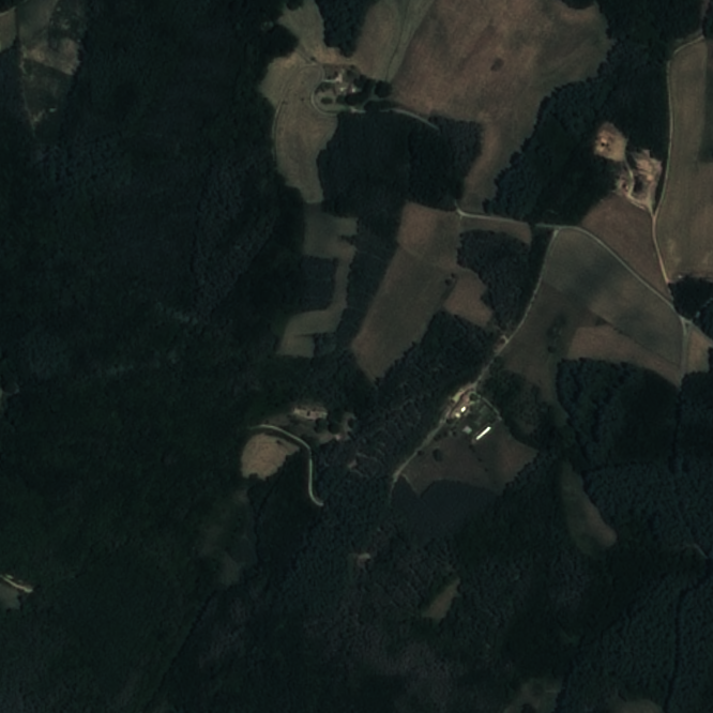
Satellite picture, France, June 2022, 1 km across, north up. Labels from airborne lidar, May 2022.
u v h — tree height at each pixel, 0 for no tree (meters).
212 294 20
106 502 19
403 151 9
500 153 0
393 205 16
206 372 17
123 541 19
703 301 15
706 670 31
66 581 13
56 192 21
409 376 16
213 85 12
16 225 20
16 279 20
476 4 0
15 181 22
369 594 20
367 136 9
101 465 18
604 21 0
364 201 11
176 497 18
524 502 12
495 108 0
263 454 0
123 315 20
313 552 21
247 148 18
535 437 8
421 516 8
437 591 11
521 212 30
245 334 17
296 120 0
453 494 9
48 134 0
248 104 19
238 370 17
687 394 20
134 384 19
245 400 19
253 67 17
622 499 29
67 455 21
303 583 26
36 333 36
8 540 16
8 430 21
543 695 0
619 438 9
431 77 0
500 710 23
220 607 14
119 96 17
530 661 11
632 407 6
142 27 24
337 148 10
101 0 17
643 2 18
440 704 21
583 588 23
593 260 0
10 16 0
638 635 30
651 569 17
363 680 17
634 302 0
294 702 16
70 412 28
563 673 10
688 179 0
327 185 9
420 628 16
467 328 17
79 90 19
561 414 0
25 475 19
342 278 0
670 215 0
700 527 33
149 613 17
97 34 18
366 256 9
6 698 16
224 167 21
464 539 11
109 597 18
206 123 21
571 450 10
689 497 31
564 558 20
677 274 0
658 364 0
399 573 16
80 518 15
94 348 21
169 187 7
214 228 21
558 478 14
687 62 0
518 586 18
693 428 24
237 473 13
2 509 18
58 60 0
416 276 0
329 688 15
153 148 12
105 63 17
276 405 8
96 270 11
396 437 16
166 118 12
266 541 13
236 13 22
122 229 10
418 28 0
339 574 25
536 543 8
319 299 7
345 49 27
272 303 17
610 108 19
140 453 17
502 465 0
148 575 16
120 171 31
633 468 22
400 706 21
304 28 0
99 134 15
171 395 19
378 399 15
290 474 10
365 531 28
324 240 0
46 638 18
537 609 19
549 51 0
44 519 16
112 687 14
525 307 9
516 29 0
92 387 19
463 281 0
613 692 23
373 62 0
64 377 23
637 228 0
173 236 7
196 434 17
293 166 0
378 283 10
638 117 17
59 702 13
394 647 23
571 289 0
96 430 22
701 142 0
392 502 7
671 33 14
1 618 20
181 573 14
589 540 0
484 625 20
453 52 0
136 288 11
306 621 16
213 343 18
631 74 21
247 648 13
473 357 19
